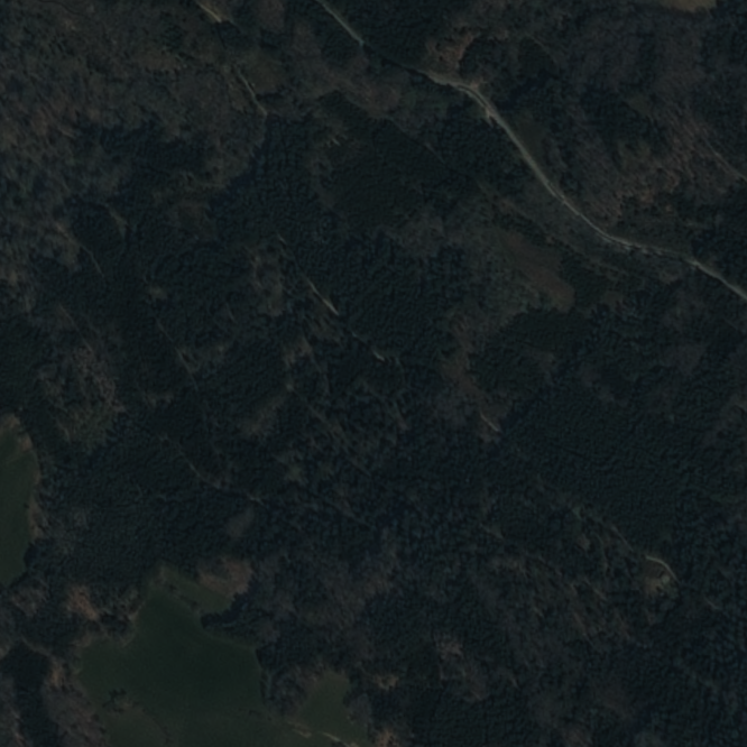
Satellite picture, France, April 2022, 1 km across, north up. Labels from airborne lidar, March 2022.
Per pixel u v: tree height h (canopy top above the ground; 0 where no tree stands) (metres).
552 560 17
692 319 33
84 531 23
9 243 14
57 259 12
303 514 21
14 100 31
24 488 0
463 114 26
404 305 24
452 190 34
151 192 24
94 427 8
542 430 25
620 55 30
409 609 23
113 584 29
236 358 22
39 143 22
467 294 24
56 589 26
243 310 18
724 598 34
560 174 29
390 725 27
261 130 17
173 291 31
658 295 30
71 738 27
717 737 21
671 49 29
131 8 11
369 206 11
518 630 27
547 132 31
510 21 26
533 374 15
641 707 15
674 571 17
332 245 34
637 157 26
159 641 0
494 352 17
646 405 30
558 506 23
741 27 20
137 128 11
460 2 28
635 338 31
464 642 27
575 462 28
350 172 11
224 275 31
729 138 27
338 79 33
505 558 8
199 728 0
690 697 25
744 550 27
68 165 29
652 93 26
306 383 21
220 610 0
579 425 27
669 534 25
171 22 9
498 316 26
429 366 31
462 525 24
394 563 34
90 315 25
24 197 20
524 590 25
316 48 29
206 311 16
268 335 24
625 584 34
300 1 33
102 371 21
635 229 13
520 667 33
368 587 30
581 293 11
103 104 7
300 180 25
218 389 21
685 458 30
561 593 28
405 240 12
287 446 9
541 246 9
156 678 0
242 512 23
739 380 26
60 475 7
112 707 7
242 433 20
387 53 41
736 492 32
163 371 9
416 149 21
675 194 9
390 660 14
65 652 16
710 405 24
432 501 21
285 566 23
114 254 25
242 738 0
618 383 16
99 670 0
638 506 31
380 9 24
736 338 15
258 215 35
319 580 20
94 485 25
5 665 12
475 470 25
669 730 20
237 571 0
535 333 11
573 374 24
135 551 24
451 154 25
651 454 27
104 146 18
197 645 0
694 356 35
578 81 31
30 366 12
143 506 20
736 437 22
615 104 35
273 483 14
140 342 9
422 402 17
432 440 22
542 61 7
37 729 23
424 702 10
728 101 27
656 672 28
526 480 28
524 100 29
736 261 22
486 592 29
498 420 7
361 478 21
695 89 26
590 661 14
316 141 10
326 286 37
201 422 12
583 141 34
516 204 27
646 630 19
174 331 22
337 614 21
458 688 27
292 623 25
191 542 27
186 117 14
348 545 15
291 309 21
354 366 15
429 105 22
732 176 29
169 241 25
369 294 33
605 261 11
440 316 28
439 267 20
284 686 27
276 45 27
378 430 18
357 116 9
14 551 0
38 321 25
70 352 21
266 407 21
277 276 24
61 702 27
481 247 19
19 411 8
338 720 0
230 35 27
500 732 28
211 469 11
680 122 30
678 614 19
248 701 0
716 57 29
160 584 19
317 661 24
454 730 23
